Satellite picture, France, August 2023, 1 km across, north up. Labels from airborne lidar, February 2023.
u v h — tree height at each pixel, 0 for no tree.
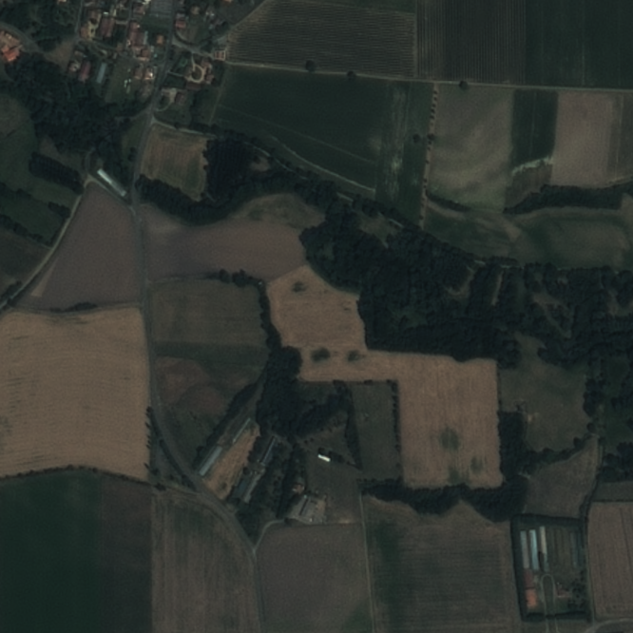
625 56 0
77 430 0
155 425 11
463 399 0
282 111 0
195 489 9
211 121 0
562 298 28
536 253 0
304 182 7
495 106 0
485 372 0
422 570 0
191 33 0
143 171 0
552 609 0
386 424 0
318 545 0
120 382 0
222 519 0
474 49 0
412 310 15
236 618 0
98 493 0
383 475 0
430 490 7
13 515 0
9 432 0
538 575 0
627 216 0
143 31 0
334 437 0
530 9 0
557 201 17
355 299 0
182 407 0
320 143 0
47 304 0
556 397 0
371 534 0
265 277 0
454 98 0
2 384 0
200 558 0
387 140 0
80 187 14
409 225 13
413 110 0
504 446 11
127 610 0
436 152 0
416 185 0
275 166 9
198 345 0
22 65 9
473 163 0
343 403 19
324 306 0
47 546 0
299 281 0
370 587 0
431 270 21
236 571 0
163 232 0
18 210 0
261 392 0
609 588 0
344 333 0
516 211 6
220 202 6
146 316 0
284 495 9
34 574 0
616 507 0
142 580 0
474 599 0
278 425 16
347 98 0
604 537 0
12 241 0
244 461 0
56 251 0
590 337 9
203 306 0
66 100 8
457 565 0
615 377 0
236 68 0
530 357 0
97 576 0
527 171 0
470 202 0
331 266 19
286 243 0
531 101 0
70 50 0
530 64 0
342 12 0
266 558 0
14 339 0
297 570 0
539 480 0
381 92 0
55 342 0
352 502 0
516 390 0
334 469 0
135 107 11
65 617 0
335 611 0
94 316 0
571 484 0
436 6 0
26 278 0
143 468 0
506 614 0
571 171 0
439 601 0
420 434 0
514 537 12
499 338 18
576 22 0
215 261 0
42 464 0
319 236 23
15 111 0
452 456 0
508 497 17
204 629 0
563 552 0
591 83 0
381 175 0
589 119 0
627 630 0
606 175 0
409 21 0
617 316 0
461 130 0
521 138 0
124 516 0
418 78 0
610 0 0
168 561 0
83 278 0
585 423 0
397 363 0
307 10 0
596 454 0
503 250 0
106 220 0
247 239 0
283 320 0
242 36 0
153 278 0
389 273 12
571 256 0
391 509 0
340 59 0
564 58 0
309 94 0
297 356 11
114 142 11
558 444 0
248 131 0
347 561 0
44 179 9
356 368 0
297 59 0
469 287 0
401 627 0
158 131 0
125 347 0
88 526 0
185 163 0
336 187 12
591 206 13
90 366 0
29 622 0
